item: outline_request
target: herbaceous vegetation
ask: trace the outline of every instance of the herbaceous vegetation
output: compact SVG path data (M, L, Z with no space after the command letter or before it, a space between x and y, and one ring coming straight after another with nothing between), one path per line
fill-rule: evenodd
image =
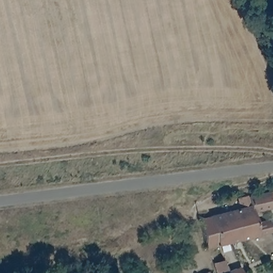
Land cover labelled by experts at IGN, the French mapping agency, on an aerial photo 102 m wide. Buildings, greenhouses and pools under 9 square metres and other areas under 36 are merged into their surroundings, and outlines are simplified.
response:
M232 115L224 121L174 123L126 132L100 141L64 147L0 152L0 196L273 163L273 105L266 102L260 108L251 108L251 111L259 111L259 114Z
M223 261L223 253L224 246L219 242L214 248L210 247L208 240L203 239L203 232L191 232L198 251L194 259L199 270L193 273L212 273L212 261Z
M192 225L196 216L198 220L204 219L241 210L244 205L240 204L215 207L214 200L224 197L229 200L239 189L243 192L247 192L248 189L255 190L259 183L267 183L269 186L273 184L273 172L256 173L255 177L252 174L244 177L229 176L210 179L204 183L189 181L162 184L157 187L36 200L34 204L27 202L0 206L0 273L45 273L48 268L58 268L58 263L63 263L64 266L71 263L86 264L89 261L98 264L101 259L109 264L108 273L127 273L124 270L124 263L128 258L146 261L148 273L162 273L156 266L156 259L170 260L181 250L182 243L141 248L138 237L143 237L144 232L160 227L175 228L178 220Z
M260 260L263 255L273 255L273 227L263 229L262 235L250 237L250 240L242 243L251 259Z

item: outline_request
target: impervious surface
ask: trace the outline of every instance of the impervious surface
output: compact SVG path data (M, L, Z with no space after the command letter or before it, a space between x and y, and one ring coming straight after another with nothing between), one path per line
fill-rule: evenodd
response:
M256 173L273 172L273 163L0 196L0 206L27 202L34 204L36 200L157 187L162 184L189 181L204 183L210 179L229 176L244 177L252 174L255 177Z

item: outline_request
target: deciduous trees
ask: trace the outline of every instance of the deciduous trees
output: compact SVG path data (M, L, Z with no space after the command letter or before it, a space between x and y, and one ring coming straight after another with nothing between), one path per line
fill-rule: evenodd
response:
M45 273L108 273L109 264L101 259L98 264L89 261L86 264L71 263L64 266L63 263L58 263L58 268L48 268Z
M242 18L243 27L254 34L267 66L273 68L273 0L229 0L232 9L241 9L246 15Z
M264 192L273 193L273 184L269 186L267 183L259 183L255 190L248 189L247 192L243 192L239 189L229 200L224 197L214 200L215 207L240 204L242 197L254 196L258 199L263 197Z
M124 263L124 270L127 273L148 273L146 261L128 258Z
M170 260L156 259L156 266L162 273L193 273L199 270L194 259L198 251L191 232L203 232L207 229L204 219L198 220L196 216L192 225L178 220L175 228L160 227L144 232L143 237L138 237L141 248L182 243L181 250Z

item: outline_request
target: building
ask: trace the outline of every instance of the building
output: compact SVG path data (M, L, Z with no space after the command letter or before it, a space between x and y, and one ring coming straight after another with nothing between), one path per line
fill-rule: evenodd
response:
M223 261L212 261L212 273L253 273L247 262L244 263L244 267L240 266L234 252L223 253Z
M263 197L258 199L254 196L242 197L240 204L244 205L241 210L204 219L207 229L203 232L203 239L208 240L210 247L214 248L219 242L224 246L235 241L242 243L250 240L250 237L262 235L263 229L273 227L273 193L264 192Z

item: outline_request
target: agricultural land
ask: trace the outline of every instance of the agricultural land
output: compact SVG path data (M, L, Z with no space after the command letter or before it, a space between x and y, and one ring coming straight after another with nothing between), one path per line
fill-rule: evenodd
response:
M64 147L100 141L126 132L174 123L224 121L232 115L259 114L259 111L251 111L251 108L260 108L266 102L273 105L273 68L267 66L254 34L243 27L242 18L246 15L241 9L232 9L229 0L0 0L0 152Z

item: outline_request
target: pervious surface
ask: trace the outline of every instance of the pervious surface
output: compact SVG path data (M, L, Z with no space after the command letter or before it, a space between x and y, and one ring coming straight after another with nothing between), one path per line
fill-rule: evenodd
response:
M263 255L260 260L251 259L242 243L235 241L224 246L223 253L234 252L240 266L244 267L244 263L247 262L253 273L273 273L273 255Z

